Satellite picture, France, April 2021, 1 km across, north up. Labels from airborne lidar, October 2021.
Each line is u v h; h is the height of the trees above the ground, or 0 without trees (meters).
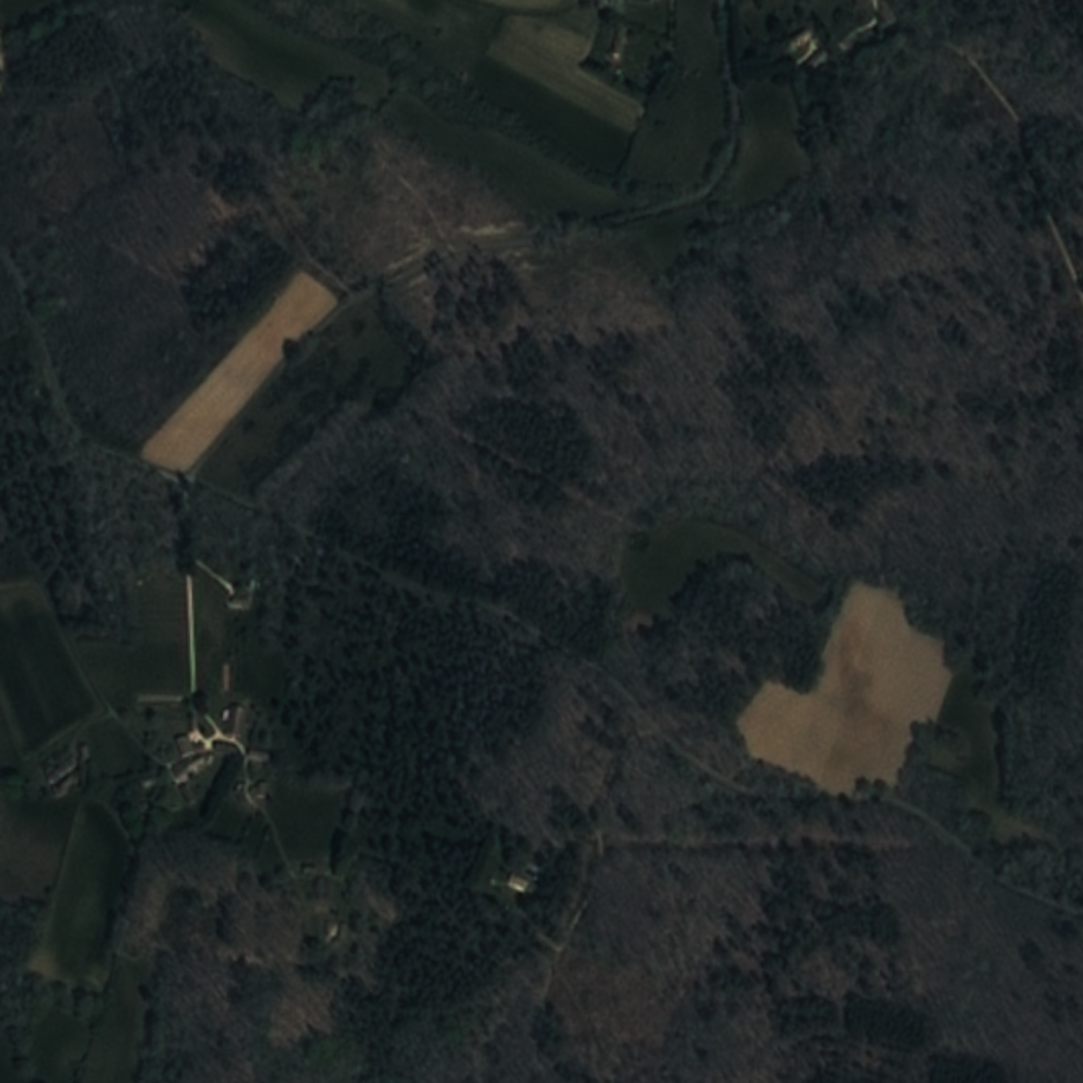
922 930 14
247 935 23
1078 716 22
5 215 11
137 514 13
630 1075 11
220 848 19
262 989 20
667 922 18
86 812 0
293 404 0
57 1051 0
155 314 16
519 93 0
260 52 0
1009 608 15
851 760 0
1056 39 17
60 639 0
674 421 19
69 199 9
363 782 21
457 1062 21
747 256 12
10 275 18
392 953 21
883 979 9
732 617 26
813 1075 11
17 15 0
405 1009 9
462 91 8
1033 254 17
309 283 0
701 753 18
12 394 22
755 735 0
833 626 18
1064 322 6
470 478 25
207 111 23
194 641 0
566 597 26
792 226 7
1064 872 21
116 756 0
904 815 14
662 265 0
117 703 0
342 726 21
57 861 0
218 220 9
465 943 22
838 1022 19
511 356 12
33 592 0
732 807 16
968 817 14
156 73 19
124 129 20
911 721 0
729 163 15
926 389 15
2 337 20
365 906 22
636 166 0
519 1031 22
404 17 0
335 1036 22
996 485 14
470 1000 22
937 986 13
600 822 19
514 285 21
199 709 10
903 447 17
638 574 0
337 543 28
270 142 17
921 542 19
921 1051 16
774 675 22
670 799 17
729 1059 16
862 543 20
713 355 21
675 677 19
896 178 18
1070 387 19
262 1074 21
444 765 14
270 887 18
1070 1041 14
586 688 19
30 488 10
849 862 14
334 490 20
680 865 21
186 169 20
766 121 0
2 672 0
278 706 13
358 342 0
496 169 0
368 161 21
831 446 19
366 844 0
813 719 0
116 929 19
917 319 13
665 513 18
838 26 12
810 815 27
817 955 22
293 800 0
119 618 17
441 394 21
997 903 14
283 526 19
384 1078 20
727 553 0
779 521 18
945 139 24
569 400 16
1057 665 26
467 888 17
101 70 26
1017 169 22
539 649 13
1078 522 10
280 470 14
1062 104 19
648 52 0
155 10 22
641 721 15
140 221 20
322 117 18
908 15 17
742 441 21
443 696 22
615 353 16
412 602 8
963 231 15
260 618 11
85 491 20
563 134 0
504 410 15
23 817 0
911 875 16
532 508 23
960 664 15
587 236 18
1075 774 27
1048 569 19
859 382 21
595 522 21
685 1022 16
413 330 18
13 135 18
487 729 17
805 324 12
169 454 0
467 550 23
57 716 0
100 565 18
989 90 13
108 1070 0
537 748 20
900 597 11
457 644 20
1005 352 11
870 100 19
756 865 21
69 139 12
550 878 18
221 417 0
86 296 18
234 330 19
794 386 19
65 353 15
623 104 0
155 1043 18
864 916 17
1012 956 17
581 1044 12
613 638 17
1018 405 15
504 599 23
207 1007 15
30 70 26
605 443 15
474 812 23
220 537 15
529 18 0
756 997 8
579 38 0
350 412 16
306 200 18
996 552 16
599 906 16
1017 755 17
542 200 0
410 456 19
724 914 18
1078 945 26
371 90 0
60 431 20
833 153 18
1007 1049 15
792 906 20
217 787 9
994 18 22
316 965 7
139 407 6
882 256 17
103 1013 11
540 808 14
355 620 22
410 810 19
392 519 19
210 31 0
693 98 0
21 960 26
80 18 21
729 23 16
